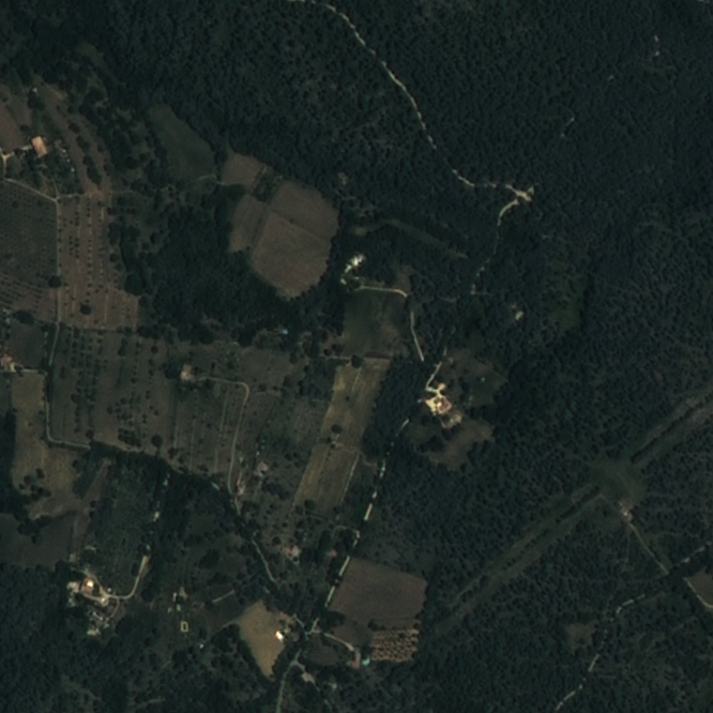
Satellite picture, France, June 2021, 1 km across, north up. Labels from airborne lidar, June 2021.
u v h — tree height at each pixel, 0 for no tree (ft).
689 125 52
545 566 43
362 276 39
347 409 0
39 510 0
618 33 50
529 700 43
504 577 0
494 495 38
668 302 33
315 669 31
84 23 35
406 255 42
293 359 30
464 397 52
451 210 52
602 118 52
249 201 0
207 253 43
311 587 24
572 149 54
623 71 48
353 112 29
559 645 23
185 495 37
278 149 46
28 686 51
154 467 42
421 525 35
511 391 52
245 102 45
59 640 21
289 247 0
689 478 34
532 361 47
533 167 54
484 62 53
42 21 41
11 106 0
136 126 24
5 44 45
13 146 0
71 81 40
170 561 28
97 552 20
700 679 43
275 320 34
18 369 18
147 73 42
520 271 37
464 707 37
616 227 49
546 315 54
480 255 64
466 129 28
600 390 41
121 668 50
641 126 47
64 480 0
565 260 46
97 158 0
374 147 60
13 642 44
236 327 48
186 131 0
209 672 36
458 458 0
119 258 38
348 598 0
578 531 33
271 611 55
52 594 47
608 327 31
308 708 21
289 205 0
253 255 0
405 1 21
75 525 0
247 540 34
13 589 47
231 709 29
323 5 73
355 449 0
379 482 33
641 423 41
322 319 51
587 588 28
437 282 45
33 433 0
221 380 0
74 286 0
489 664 30
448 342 29
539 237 44
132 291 33
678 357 31
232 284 48
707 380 35
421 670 56
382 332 0
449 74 58
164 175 58
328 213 0
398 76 38
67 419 0
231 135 58
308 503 44
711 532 28
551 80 58
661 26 53
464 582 46
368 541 22
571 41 57
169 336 22
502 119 57
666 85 52
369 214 51
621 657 50
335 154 39
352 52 52
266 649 0
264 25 38
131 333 28
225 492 22
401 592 0
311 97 65
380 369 0
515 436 49
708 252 46
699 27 53
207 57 63
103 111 40
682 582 40
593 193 43
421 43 62
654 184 50
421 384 37
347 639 0
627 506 0
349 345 0
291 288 0
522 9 33
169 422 0
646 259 33
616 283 36
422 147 55
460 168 52
